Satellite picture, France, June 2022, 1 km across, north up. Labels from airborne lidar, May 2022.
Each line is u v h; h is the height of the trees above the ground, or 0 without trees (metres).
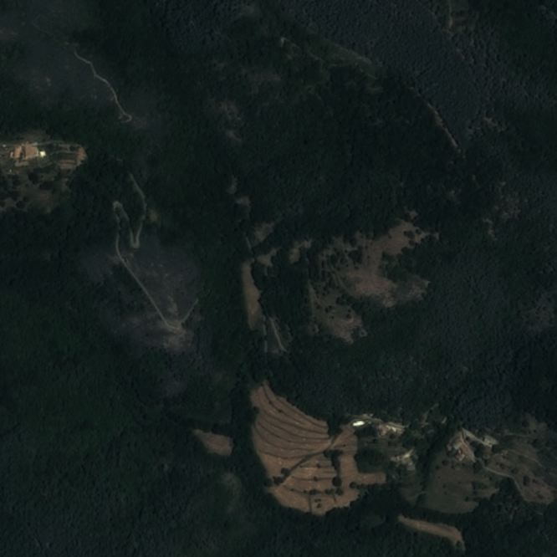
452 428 16
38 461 12
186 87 16
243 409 23
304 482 0
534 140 22
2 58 6
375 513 20
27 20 0
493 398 18
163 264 0
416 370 9
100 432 16
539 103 20
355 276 0
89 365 15
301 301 7
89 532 15
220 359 15
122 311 6
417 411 12
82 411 16
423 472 8
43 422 13
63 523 16
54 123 16
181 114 7
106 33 9
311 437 0
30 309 12
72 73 0
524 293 16
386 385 15
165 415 9
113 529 12
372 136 13
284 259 14
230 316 19
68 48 0
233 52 10
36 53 0
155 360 11
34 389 14
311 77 13
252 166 13
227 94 12
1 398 7
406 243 0
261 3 9
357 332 6
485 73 15
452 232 19
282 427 0
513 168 17
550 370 23
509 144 22
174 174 8
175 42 18
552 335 14
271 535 19
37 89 0
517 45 11
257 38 10
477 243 11
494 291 17
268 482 15
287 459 0
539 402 22
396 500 31
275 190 14
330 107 6
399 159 17
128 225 10
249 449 18
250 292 0
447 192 8
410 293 0
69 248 18
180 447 20
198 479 10
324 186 12
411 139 11
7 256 6
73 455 11
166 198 15
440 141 11
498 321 18
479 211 13
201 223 17
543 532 11
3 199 11
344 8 20
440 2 8
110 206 9
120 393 22
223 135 7
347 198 18
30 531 10
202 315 10
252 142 13
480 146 12
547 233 10
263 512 16
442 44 17
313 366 15
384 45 16
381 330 14
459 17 11
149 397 19
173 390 0
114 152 11
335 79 15
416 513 25
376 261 0
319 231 11
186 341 0
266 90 7
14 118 10
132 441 17
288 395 17
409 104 14
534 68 21
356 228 10
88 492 14
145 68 6
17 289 19
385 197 12
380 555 16
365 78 9
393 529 13
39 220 10
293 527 19
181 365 16
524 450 0
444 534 0
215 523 10
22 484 21
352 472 0
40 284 16
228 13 16
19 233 10
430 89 19
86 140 15
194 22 22
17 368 15
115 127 7
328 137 18
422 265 16
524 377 26
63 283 20
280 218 10
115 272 7
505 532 15
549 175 25
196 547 9
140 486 11
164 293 0
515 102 16
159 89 7
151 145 6
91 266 0
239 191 11
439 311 17
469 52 16
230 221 21
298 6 17
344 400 13
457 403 14
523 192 14
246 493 8
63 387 15
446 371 12
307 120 20
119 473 11
